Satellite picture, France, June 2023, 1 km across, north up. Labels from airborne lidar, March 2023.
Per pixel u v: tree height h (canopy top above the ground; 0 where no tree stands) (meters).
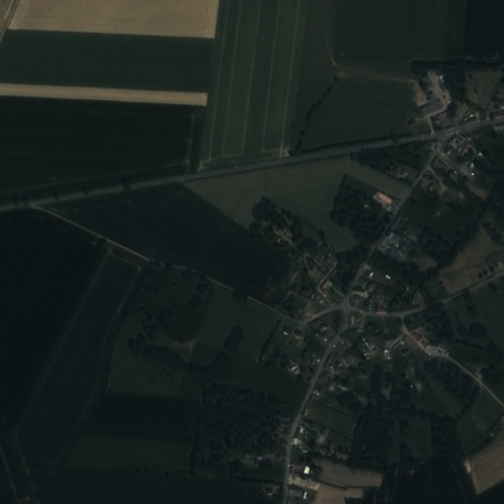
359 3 0
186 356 0
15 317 0
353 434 0
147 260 0
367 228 9
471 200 0
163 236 0
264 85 0
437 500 0
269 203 13
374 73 0
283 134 0
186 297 0
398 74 0
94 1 0
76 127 0
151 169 0
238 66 0
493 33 0
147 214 0
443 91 0
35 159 0
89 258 0
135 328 0
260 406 30
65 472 0
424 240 14
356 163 0
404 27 0
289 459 0
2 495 0
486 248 0
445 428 21
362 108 0
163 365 0
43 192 0
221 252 0
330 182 0
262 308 0
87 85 0
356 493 0
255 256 0
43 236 0
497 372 0
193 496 0
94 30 0
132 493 0
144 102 0
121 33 0
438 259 13
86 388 0
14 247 0
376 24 0
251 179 0
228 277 0
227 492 0
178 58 0
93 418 0
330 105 0
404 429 14
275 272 0
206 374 21
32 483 0
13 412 0
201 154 0
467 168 0
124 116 0
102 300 0
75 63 0
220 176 0
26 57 0
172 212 0
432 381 0
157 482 0
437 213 0
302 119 0
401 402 20
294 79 0
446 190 0
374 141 5
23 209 0
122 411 0
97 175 0
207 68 0
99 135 0
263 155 0
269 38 0
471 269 0
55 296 0
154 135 0
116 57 0
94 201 0
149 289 22
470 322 0
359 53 0
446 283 0
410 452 12
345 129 0
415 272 18
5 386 0
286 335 0
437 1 0
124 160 0
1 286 0
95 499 0
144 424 0
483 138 0
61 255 0
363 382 0
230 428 22
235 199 0
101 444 0
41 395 0
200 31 0
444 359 0
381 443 26
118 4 0
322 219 0
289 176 0
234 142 0
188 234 0
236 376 0
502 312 0
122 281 0
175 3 0
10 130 0
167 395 0
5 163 0
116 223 0
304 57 0
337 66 0
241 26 0
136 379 0
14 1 0
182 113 0
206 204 0
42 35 0
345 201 7
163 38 0
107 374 0
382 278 0
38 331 0
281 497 9
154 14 0
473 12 0
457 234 0
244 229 0
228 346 18
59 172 0
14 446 0
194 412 0
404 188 0
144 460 0
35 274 0
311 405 0
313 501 0
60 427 0
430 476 0
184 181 0
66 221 0
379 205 14
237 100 0
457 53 0
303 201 0
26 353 0
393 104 0
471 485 0
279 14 0
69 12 0
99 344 0
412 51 0
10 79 0
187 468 0
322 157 0
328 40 0
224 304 0
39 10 0
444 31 0
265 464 14
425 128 0
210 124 0
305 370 8
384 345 0
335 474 0
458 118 0
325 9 0
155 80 0
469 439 0
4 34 0
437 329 7
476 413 0
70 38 0
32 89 0
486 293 0
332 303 0
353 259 13
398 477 0
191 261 0
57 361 0
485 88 0
